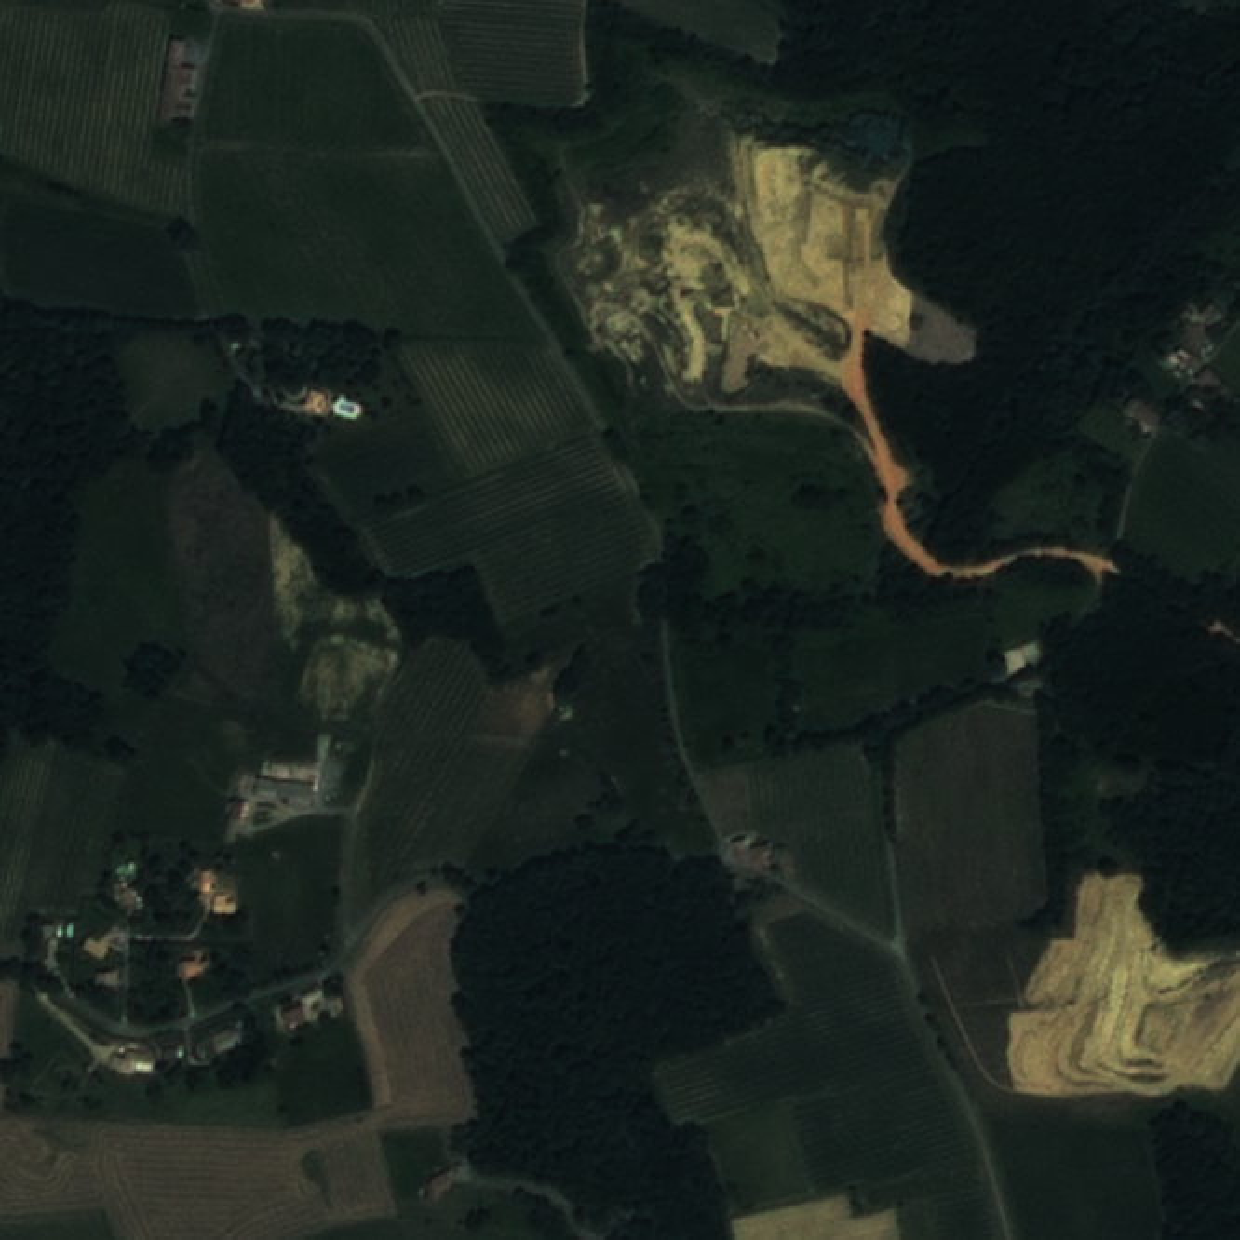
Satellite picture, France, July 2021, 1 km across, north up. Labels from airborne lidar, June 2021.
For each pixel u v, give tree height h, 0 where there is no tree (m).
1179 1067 0
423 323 0
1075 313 27
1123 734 20
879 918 0
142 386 0
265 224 0
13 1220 0
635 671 0
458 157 0
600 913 25
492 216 0
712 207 0
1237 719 17
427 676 0
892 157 12
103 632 0
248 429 19
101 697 10
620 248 0
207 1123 0
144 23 0
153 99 0
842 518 0
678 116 0
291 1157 0
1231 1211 27
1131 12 22
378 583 18
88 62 0
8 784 0
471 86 0
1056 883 11
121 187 0
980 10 22
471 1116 0
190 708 0
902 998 0
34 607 17
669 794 0
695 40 10
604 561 0
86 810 0
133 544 0
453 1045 0
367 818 0
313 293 0
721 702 0
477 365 0
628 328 0
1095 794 0
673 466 0
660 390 0
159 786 0
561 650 0
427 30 0
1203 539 0
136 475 0
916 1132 0
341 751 0
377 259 0
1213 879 20
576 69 0
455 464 0
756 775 0
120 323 11
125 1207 0
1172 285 22
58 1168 0
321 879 0
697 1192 25
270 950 0
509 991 27
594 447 0
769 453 0
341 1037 0
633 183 0
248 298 0
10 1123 0
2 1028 0
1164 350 18
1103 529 12
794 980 0
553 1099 27
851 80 17
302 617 0
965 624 0
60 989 11
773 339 0
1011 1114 0
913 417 17
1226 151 28
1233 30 11
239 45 0
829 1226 0
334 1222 0
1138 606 16
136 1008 6
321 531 11
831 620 6
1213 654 21
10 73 0
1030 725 0
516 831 0
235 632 0
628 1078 25
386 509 13
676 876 21
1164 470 0
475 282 0
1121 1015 0
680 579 14
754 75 7
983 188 16
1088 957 0
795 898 0
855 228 0
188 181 0
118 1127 0
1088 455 11
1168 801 15
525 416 0
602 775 6
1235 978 0
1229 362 0
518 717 0
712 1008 23
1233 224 6
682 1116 0
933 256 15
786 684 9
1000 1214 0
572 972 20
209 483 0
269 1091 0
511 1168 20
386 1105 0
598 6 9
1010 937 0
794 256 0
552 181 9
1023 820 0
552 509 0
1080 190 20
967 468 20
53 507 24
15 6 0
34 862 0
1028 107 20
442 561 0
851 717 0
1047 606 0
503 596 0
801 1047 0
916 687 0
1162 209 24
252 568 0
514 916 26
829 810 0
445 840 0
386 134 0
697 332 0
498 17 0
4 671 27
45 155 0
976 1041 0
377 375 10
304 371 13
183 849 7
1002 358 19
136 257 0
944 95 18
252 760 0
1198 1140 22
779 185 0
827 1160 0
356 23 0
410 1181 0
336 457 0
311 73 0
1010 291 17
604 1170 21
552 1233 8
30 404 22
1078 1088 0
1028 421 20
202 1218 0
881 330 0
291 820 0
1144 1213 0
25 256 0
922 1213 0
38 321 19
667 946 26
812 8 26
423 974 0
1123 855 0
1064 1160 0
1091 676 16
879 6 24
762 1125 0
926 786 0
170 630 0
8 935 0
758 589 10
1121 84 31
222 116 0
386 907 0
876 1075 0
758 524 0
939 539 17
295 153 0
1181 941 11
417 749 0
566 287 0
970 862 0
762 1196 0
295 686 0
